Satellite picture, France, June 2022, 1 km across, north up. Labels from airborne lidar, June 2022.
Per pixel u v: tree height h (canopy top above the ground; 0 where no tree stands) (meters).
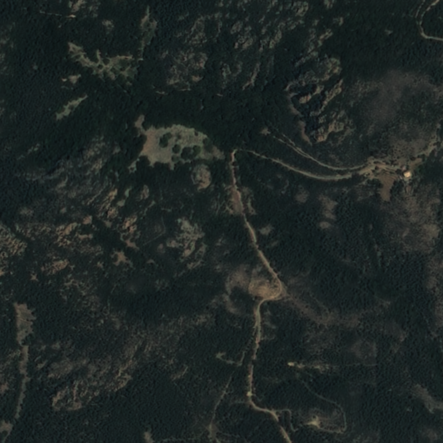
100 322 10
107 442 13
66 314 7
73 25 11
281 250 12
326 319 0
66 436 14
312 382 16
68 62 14
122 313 6
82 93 7
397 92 0
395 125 6
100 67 15
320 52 13
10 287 10
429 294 7
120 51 14
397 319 8
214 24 9
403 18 10
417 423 13
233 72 7
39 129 18
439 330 11
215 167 9
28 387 9
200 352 7
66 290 10
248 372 12
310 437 16
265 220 5
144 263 11
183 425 12
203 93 16
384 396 18
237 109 15
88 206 7
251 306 8
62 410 7
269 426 15
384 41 11
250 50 8
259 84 16
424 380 14
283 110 8
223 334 13
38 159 11
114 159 13
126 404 16
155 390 14
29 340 7
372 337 11
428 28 12
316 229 16
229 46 14
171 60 8
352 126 8
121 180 9
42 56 8
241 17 9
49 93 13
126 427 12
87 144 6
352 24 12
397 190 8
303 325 11
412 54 10
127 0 12
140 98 26
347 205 11
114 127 8
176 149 16
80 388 9
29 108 13
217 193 6
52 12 10
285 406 9
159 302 15
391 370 12
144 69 15
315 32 6
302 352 14
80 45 9
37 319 9
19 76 8
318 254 8
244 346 15
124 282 7
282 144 9
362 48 14
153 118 16
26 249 7
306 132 10
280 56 19
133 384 12
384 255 7
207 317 7
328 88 13
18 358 7
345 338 10
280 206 6
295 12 9
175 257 8
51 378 10
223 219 9
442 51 12
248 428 14
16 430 5
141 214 7
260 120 19
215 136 15
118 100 7
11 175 13
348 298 7
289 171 6
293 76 15
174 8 20
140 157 8
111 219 8
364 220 7
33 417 15
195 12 10
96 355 11
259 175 9
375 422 12
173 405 14
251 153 15
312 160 6
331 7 11
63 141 9
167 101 15
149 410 12
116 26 6
